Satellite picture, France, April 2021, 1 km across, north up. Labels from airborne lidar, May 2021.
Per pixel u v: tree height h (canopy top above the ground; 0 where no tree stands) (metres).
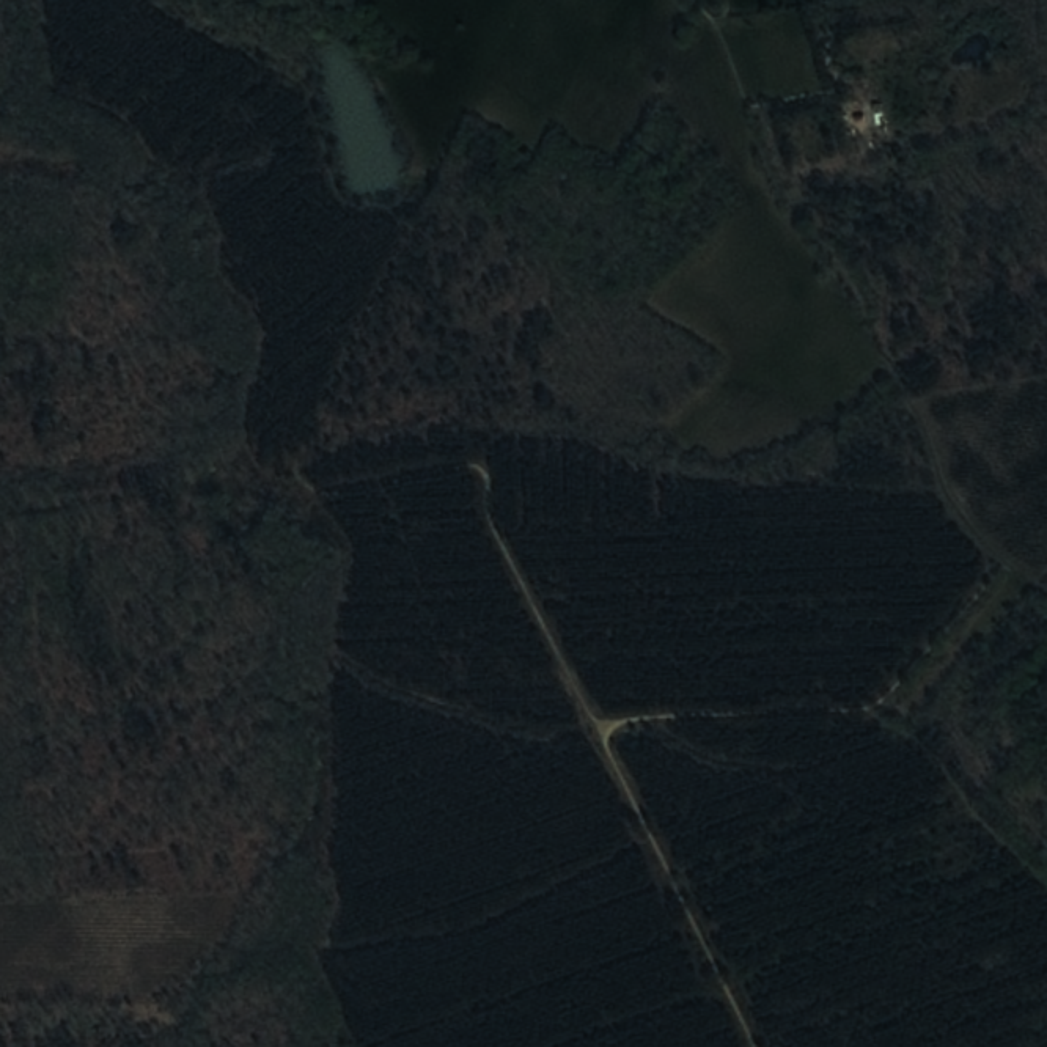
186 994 16
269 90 13
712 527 12
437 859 12
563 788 13
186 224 19
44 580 20
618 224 14
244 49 8
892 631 10
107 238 13
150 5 11
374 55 12
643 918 14
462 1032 11
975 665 19
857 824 11
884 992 14
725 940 13
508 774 13
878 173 15
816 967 12
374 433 8
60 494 15
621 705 13
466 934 13
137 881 14
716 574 13
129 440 13
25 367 13
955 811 10
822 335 0
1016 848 16
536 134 0
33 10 18
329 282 13
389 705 13
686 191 24
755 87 0
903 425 13
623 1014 12
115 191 18
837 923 13
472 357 17
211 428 17
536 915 13
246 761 16
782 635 13
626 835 13
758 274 0
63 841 11
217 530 22
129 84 10
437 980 13
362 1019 13
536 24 0
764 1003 12
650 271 16
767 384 0
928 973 13
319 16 20
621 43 0
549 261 13
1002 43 8
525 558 11
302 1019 17
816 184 12
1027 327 9
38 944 0
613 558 13
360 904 12
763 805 13
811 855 14
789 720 12
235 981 13
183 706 12
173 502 22
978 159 20
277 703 24
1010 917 15
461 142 16
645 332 12
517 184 11
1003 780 13
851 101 11
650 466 8
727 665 13
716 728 12
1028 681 17
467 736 13
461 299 7
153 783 11
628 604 13
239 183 12
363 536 12
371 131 0
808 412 0
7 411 18
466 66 0
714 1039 12
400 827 9
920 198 12
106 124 18
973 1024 11
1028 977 10
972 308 13
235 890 12
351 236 12
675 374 13
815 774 12
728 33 0
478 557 13
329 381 13
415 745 12
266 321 12
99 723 9
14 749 17
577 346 11
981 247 28
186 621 19
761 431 0
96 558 19
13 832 19
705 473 13
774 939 14
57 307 17
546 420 10
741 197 12
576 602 14
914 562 11
